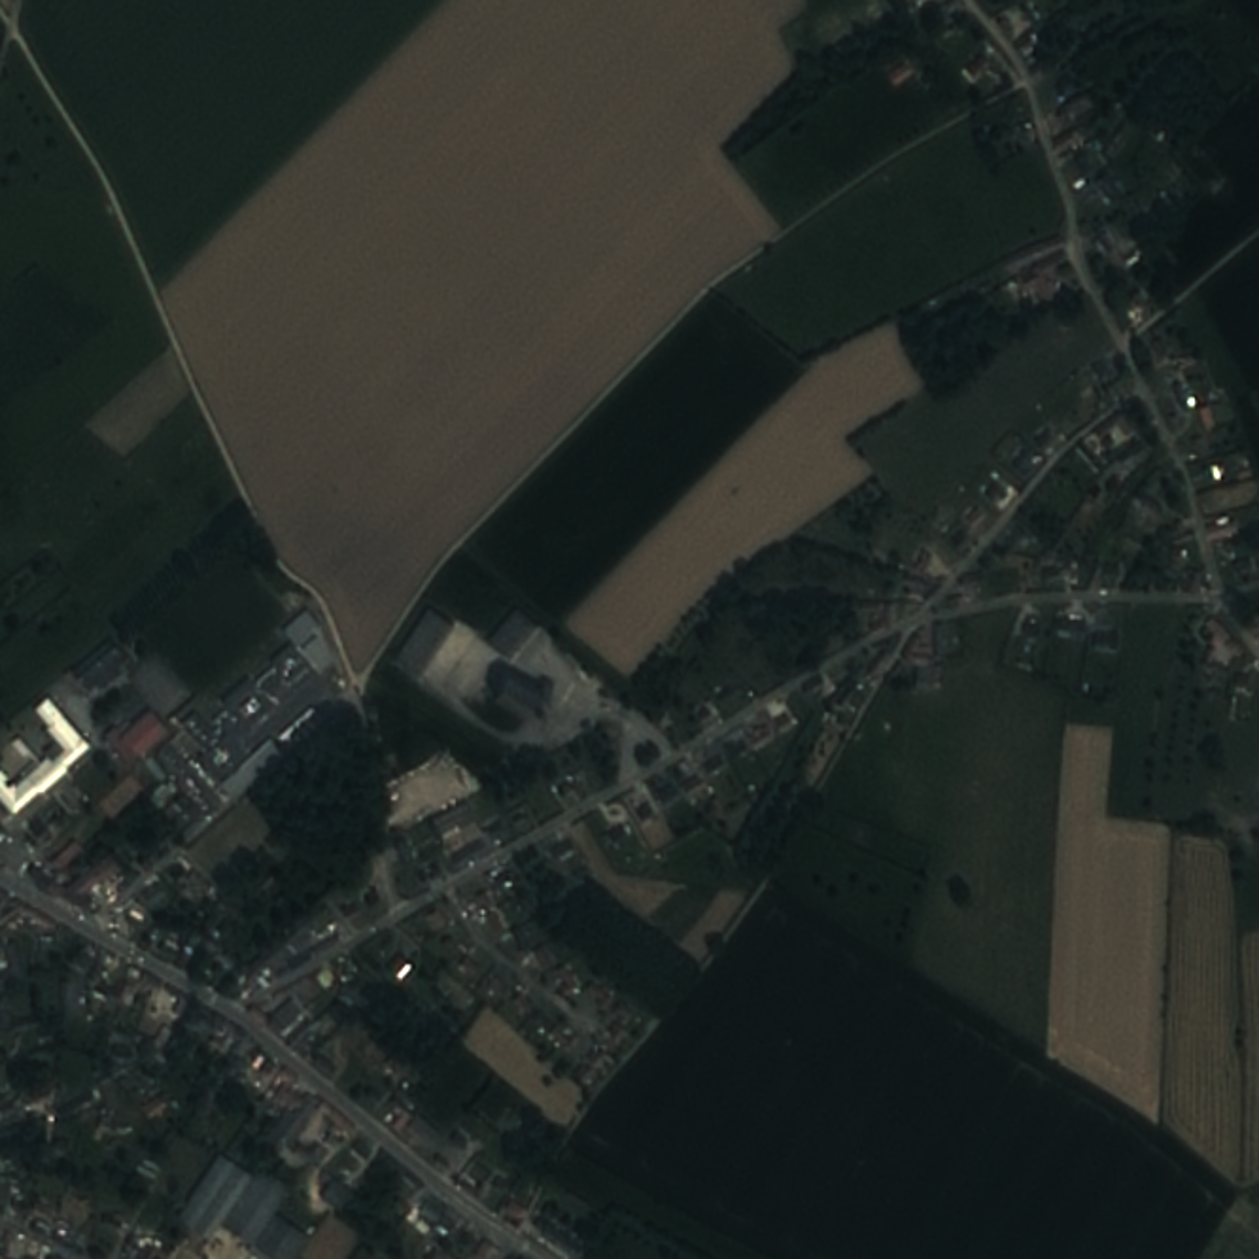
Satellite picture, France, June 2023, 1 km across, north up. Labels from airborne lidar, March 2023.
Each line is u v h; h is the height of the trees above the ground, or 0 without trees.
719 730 0
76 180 0
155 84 0
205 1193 0
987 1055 0
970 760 0
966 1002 0
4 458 0
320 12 0
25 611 0
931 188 0
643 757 12
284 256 0
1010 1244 0
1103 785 0
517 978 0
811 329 0
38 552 0
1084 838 0
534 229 0
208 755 0
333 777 31
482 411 0
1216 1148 0
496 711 0
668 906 0
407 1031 26
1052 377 0
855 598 7
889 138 0
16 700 0
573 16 0
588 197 0
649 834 0
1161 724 0
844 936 0
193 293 0
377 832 29
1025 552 0
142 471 0
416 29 0
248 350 0
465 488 0
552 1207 7
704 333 0
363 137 0
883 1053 0
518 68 0
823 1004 0
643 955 20
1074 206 0
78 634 0
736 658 0
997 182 0
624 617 0
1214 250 0
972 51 0
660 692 6
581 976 0
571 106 0
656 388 0
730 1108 0
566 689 0
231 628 0
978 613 0
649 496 0
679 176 0
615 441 0
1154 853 0
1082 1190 0
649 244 0
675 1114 0
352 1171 0
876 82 0
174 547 0
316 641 0
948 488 0
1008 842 0
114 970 0
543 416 0
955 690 0
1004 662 0
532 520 0
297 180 0
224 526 17
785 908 0
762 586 0
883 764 0
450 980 0
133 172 0
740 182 0
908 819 0
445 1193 0
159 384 0
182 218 0
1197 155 0
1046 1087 0
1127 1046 0
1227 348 0
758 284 0
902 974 0
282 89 0
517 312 0
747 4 0
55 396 0
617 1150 0
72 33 0
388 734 0
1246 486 0
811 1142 0
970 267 0
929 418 0
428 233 0
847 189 0
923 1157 0
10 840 0
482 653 0
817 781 0
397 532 0
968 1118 0
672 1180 0
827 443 0
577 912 20
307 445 0
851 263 0
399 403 0
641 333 0
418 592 0
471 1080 0
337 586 0
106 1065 12
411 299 0
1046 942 0
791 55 0
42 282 0
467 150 0
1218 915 0
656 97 0
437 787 0
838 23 0
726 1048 0
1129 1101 0
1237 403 0
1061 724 0
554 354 0
